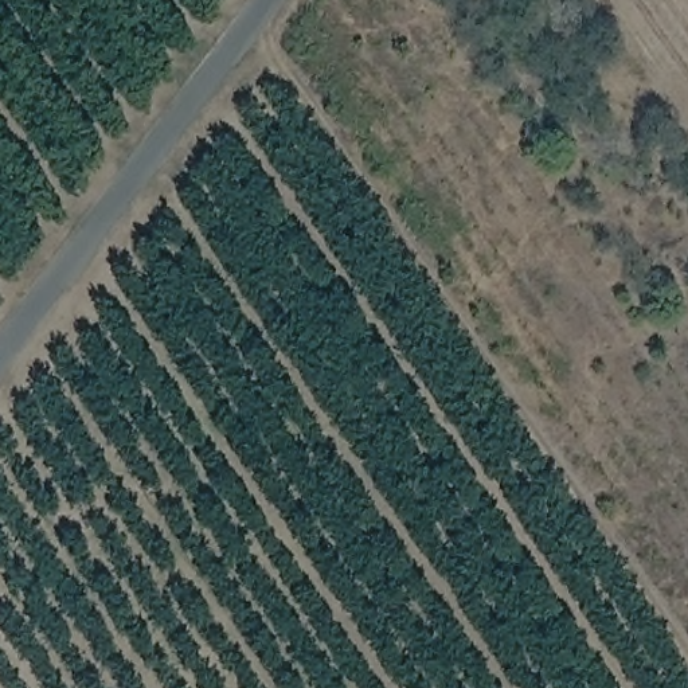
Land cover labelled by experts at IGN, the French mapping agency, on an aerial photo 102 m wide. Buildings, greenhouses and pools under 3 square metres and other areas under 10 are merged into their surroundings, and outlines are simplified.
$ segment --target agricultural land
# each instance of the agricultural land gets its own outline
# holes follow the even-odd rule
[[[546,108],[540,81],[521,70],[516,83],[535,97],[538,108]]]
[[[194,145],[204,140],[210,134],[212,124],[234,126],[242,121],[237,108],[253,99],[250,89],[245,86],[258,78],[261,73],[274,73],[290,81],[298,94],[298,105],[312,108],[314,121],[333,137],[336,148],[352,164],[352,172],[374,194],[379,194],[392,234],[406,242],[406,247],[414,253],[417,266],[427,271],[446,309],[457,314],[460,328],[470,336],[484,363],[495,368],[495,379],[500,382],[505,398],[516,403],[519,419],[524,422],[529,438],[538,443],[540,454],[551,457],[554,465],[562,468],[570,497],[575,497],[572,511],[581,516],[591,513],[597,529],[605,535],[605,543],[618,548],[618,554],[626,562],[626,570],[637,575],[637,589],[645,594],[656,615],[667,621],[667,632],[672,634],[672,642],[688,667],[688,199],[683,191],[664,183],[661,145],[650,148],[650,156],[642,156],[634,151],[632,140],[640,137],[640,126],[648,110],[653,108],[664,113],[664,118],[677,116],[680,126],[688,129],[688,0],[551,0],[551,24],[543,24],[540,30],[546,40],[564,43],[564,35],[572,32],[589,35],[591,27],[599,27],[615,16],[624,48],[615,51],[615,59],[605,70],[597,73],[602,89],[607,91],[610,110],[605,116],[594,116],[589,124],[572,121],[567,129],[575,142],[575,164],[570,169],[546,172],[532,161],[532,156],[527,156],[527,148],[532,148],[546,132],[556,129],[556,116],[543,110],[540,121],[521,124],[516,116],[503,113],[503,89],[470,75],[470,48],[452,35],[452,13],[433,0],[400,0],[400,11],[387,11],[371,24],[355,19],[347,11],[341,16],[341,24],[349,27],[349,32],[360,35],[360,86],[374,91],[387,110],[384,124],[371,126],[374,137],[379,137],[382,145],[403,140],[409,153],[422,164],[425,177],[446,202],[446,207],[460,210],[468,226],[465,231],[452,237],[457,258],[446,261],[441,255],[433,255],[433,250],[409,228],[409,223],[395,210],[398,188],[368,169],[357,142],[344,142],[347,126],[339,124],[323,108],[323,99],[309,75],[298,65],[293,65],[293,59],[282,51],[282,32],[290,16],[298,11],[298,5],[306,0],[285,0],[280,13],[269,16],[269,22],[258,32],[255,51],[250,51],[239,62],[239,67],[231,70],[231,75],[223,81],[223,86],[202,110],[202,116],[161,159],[156,177],[151,177],[148,188],[134,199],[129,212],[113,226],[113,231],[99,242],[99,247],[108,253],[126,250],[134,245],[134,242],[134,226],[148,220],[148,215],[159,207],[159,199],[167,199],[167,204],[180,196],[180,194],[175,177],[185,169]],[[575,207],[559,188],[559,180],[570,177],[589,177],[602,207]],[[664,263],[672,271],[672,280],[683,298],[680,317],[667,323],[629,320],[626,309],[637,306],[640,296],[626,293],[626,288],[618,282],[618,253],[602,247],[602,242],[610,234],[610,226],[626,226],[634,242],[642,245],[642,255],[650,253],[656,263]],[[669,357],[669,366],[664,376],[656,379],[656,384],[648,384],[645,379],[637,382],[634,376],[648,366],[645,360],[650,355],[650,336],[664,339],[664,355]]]

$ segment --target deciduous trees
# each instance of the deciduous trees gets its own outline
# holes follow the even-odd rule
[[[185,8],[191,8],[191,13],[199,22],[218,19],[220,0],[185,0]]]
[[[597,73],[605,70],[615,59],[615,51],[624,48],[615,16],[599,27],[591,27],[589,35],[572,32],[564,35],[564,43],[546,40],[540,30],[543,24],[551,24],[551,0],[433,0],[452,13],[452,35],[470,48],[470,75],[503,89],[503,113],[516,116],[521,124],[540,121],[543,110],[556,116],[556,129],[546,132],[532,148],[527,148],[527,156],[532,156],[532,161],[546,172],[570,169],[575,164],[575,142],[567,129],[572,121],[589,124],[594,116],[605,116],[610,110],[607,91],[602,89]],[[535,97],[516,83],[521,70],[540,81],[546,108],[538,108]]]
[[[371,640],[382,667],[392,675],[392,680],[400,688],[503,688],[495,675],[489,675],[484,656],[460,629],[446,599],[427,583],[422,567],[406,554],[390,521],[379,516],[355,470],[336,454],[333,441],[323,435],[314,414],[304,406],[290,376],[261,339],[258,328],[239,312],[239,304],[223,285],[223,280],[215,274],[215,269],[202,258],[199,245],[185,245],[191,234],[183,228],[183,223],[175,226],[164,220],[159,220],[159,228],[151,239],[134,242],[134,245],[140,250],[140,258],[134,258],[129,266],[113,269],[116,282],[134,301],[148,328],[159,336],[159,341],[164,341],[169,357],[185,374],[194,392],[204,400],[212,425],[226,435],[239,460],[253,470],[263,495],[288,521],[293,538],[298,538],[306,556],[320,570],[323,581],[349,610],[360,634]]]
[[[626,288],[626,293],[640,296],[637,306],[626,309],[629,320],[667,323],[680,317],[683,298],[672,280],[672,271],[664,263],[656,263],[650,253],[642,255],[642,245],[634,242],[626,226],[610,226],[610,234],[602,242],[602,247],[618,253],[618,282]]]
[[[661,145],[664,183],[683,191],[688,199],[688,129],[680,126],[677,116],[664,118],[664,113],[653,108],[648,110],[640,126],[640,137],[632,140],[634,151],[642,156],[650,156],[650,148]]]
[[[0,650],[0,688],[27,688],[19,672],[8,664],[5,653]]]
[[[212,250],[220,255],[223,266],[237,277],[247,301],[258,309],[258,314],[280,341],[282,352],[290,355],[290,360],[298,366],[317,403],[328,411],[333,425],[349,441],[352,452],[363,460],[374,484],[403,519],[417,546],[427,554],[433,567],[449,581],[462,610],[484,634],[511,683],[519,688],[618,688],[605,661],[594,661],[597,650],[589,648],[586,634],[575,626],[570,607],[562,610],[564,599],[559,599],[551,591],[543,570],[535,564],[529,551],[513,538],[513,529],[505,521],[505,516],[497,511],[497,505],[489,508],[481,500],[484,486],[476,481],[470,465],[457,452],[452,435],[446,435],[446,430],[435,425],[411,376],[400,371],[384,341],[371,341],[371,333],[376,333],[376,328],[366,323],[355,301],[357,296],[368,296],[374,312],[387,323],[406,357],[414,363],[425,384],[433,390],[443,414],[462,430],[462,438],[481,460],[486,476],[492,476],[500,484],[524,529],[548,556],[562,583],[572,591],[586,618],[594,624],[599,640],[621,661],[626,677],[637,688],[688,688],[688,667],[672,642],[672,634],[667,632],[667,621],[656,615],[645,594],[637,589],[637,575],[626,570],[626,562],[618,554],[618,548],[605,543],[605,535],[597,529],[591,513],[581,516],[572,511],[575,497],[570,497],[562,468],[554,465],[551,457],[540,454],[538,443],[529,438],[524,422],[519,419],[516,403],[505,398],[500,382],[495,379],[495,368],[484,363],[470,336],[460,328],[457,314],[446,309],[427,271],[417,266],[414,253],[406,247],[406,242],[392,234],[379,194],[374,194],[352,172],[352,164],[336,148],[333,137],[314,121],[312,108],[298,105],[298,94],[293,97],[280,91],[277,86],[263,86],[263,94],[277,108],[277,116],[263,116],[261,105],[253,99],[237,108],[242,121],[253,129],[258,145],[269,153],[269,161],[282,172],[282,180],[296,191],[301,207],[312,215],[314,226],[325,234],[333,253],[349,269],[352,298],[341,293],[344,280],[336,277],[333,266],[323,258],[306,228],[296,234],[298,218],[285,210],[271,177],[261,169],[258,159],[245,148],[245,142],[237,145],[226,137],[210,134],[204,140],[210,142],[212,153],[202,159],[191,185],[180,194],[180,196],[180,202],[191,210],[194,220],[202,226]]]
[[[0,0],[0,99],[13,110],[22,126],[40,145],[62,185],[70,194],[83,191],[89,185],[89,169],[94,169],[102,161],[102,142],[94,132],[94,124],[102,124],[110,137],[126,132],[126,118],[118,102],[113,99],[113,91],[124,91],[132,108],[148,110],[153,86],[161,83],[169,73],[167,48],[185,51],[194,46],[194,35],[172,0]]]
[[[645,379],[648,384],[656,384],[656,379],[664,376],[669,366],[669,357],[664,355],[664,339],[650,336],[650,355],[645,360],[648,366],[634,376],[637,382]]]
[[[575,207],[602,207],[589,177],[570,177],[559,180],[559,188]]]
[[[65,220],[65,210],[54,188],[48,185],[46,175],[40,172],[38,161],[32,159],[27,142],[8,129],[5,118],[0,116],[0,274],[5,280],[16,277],[22,263],[38,250],[38,212],[46,220],[59,223]]]
[[[32,570],[24,570],[22,559],[8,551],[3,527],[13,527],[16,538],[35,562]],[[239,648],[226,637],[223,626],[212,621],[207,602],[191,581],[185,581],[177,572],[169,575],[161,591],[156,591],[151,572],[142,567],[142,562],[137,562],[129,554],[124,538],[116,532],[116,524],[102,516],[91,521],[91,527],[102,548],[116,562],[116,567],[110,570],[105,570],[97,559],[89,556],[86,540],[75,521],[56,521],[59,540],[81,567],[81,572],[89,578],[86,583],[78,583],[38,529],[40,521],[27,519],[27,513],[22,511],[19,500],[8,492],[8,484],[0,473],[0,567],[3,567],[3,578],[5,578],[5,586],[8,586],[11,591],[24,591],[24,610],[19,610],[19,613],[13,610],[13,605],[11,605],[8,599],[3,599],[3,597],[0,597],[0,629],[30,661],[43,688],[65,688],[46,650],[32,637],[38,629],[46,632],[62,661],[70,667],[73,680],[83,688],[105,688],[97,669],[86,664],[78,648],[70,642],[67,626],[62,621],[65,615],[75,618],[78,629],[91,642],[91,650],[110,667],[118,683],[116,688],[145,688],[134,667],[116,650],[99,613],[86,599],[86,591],[91,589],[102,597],[116,626],[129,637],[132,648],[156,672],[164,688],[188,688],[185,680],[177,677],[177,672],[167,664],[164,650],[151,640],[142,618],[132,613],[124,591],[118,589],[121,578],[129,578],[140,602],[151,610],[153,621],[175,645],[177,658],[196,675],[199,688],[226,688],[220,675],[199,656],[199,648],[188,637],[188,632],[175,621],[169,607],[172,597],[177,597],[180,607],[194,621],[194,626],[207,637],[220,661],[237,675],[239,688],[263,688],[253,675],[250,664],[245,661],[245,656],[239,653]]]
[[[73,390],[94,414],[99,430],[110,438],[110,443],[118,449],[121,460],[142,486],[159,484],[153,465],[137,449],[137,443],[148,438],[148,443],[159,452],[172,478],[188,489],[199,521],[207,524],[220,543],[220,554],[215,556],[207,548],[204,538],[191,532],[180,497],[156,492],[156,508],[169,521],[183,551],[191,554],[191,562],[199,570],[199,575],[210,581],[218,602],[231,613],[234,624],[247,637],[250,648],[258,653],[261,664],[269,669],[277,688],[301,688],[301,680],[290,675],[293,667],[280,658],[277,642],[261,624],[258,613],[250,610],[247,599],[239,594],[239,586],[250,586],[258,602],[269,610],[274,624],[288,637],[290,653],[298,656],[298,661],[306,667],[314,688],[384,688],[382,680],[368,669],[363,653],[349,642],[341,624],[333,621],[331,607],[314,591],[312,581],[298,570],[293,554],[285,548],[282,540],[277,540],[258,503],[250,497],[245,481],[231,470],[226,457],[215,449],[215,443],[202,433],[199,419],[180,395],[180,387],[156,363],[156,355],[151,352],[148,341],[134,331],[126,309],[116,301],[116,296],[105,293],[105,298],[94,301],[94,323],[99,325],[99,331],[78,333],[81,349],[86,355],[83,363],[73,357],[67,344],[59,347],[56,352],[51,352],[56,368],[46,371],[38,382],[30,379],[24,387],[27,400],[13,403],[13,417],[19,419],[27,435],[27,443],[51,468],[51,476],[38,478],[32,460],[16,452],[11,427],[0,422],[0,454],[11,462],[19,484],[24,486],[35,508],[46,513],[56,511],[54,484],[59,481],[65,486],[67,503],[91,500],[91,489],[105,486],[105,500],[110,503],[110,508],[116,508],[124,516],[126,527],[134,532],[140,546],[164,570],[175,562],[167,540],[153,524],[142,519],[137,497],[108,468],[102,449],[91,441],[78,411],[62,395],[62,384],[73,384]],[[202,481],[196,478],[185,457],[185,446],[191,443],[210,476],[207,492],[196,489]],[[250,554],[250,546],[245,540],[247,532],[258,535],[258,543],[263,546],[263,551],[269,554],[269,559],[274,562],[296,599],[304,605],[320,637],[333,648],[339,661],[336,669],[331,669],[325,653],[312,645],[309,634],[298,624],[298,615],[288,607],[285,597],[277,591],[271,578]]]

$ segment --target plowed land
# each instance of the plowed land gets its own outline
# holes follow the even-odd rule
[[[280,91],[293,97],[298,94],[290,81],[274,73],[261,73],[258,78],[258,83],[263,86],[277,86]]]
[[[126,250],[108,253],[108,263],[113,269],[129,266],[134,258],[140,258],[140,250],[134,245]]]
[[[212,153],[210,142],[204,140],[194,145],[185,169],[175,177],[180,194],[191,185],[202,159]]]
[[[164,215],[169,212],[167,204],[167,199],[159,199],[159,207],[148,215],[148,220],[134,226],[134,242],[151,239],[159,228],[159,220],[164,220]]]

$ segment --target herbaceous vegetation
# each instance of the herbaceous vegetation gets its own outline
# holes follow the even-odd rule
[[[293,667],[290,675],[301,680],[301,688],[314,688],[306,667],[298,661],[298,656],[290,653],[288,637],[274,624],[269,610],[258,602],[250,586],[239,586],[239,594],[247,599],[250,610],[258,613],[261,624],[277,642],[280,658]]]
[[[13,605],[13,610],[19,613],[19,610],[24,610],[24,591],[11,591],[8,586],[5,586],[5,578],[3,578],[3,567],[0,567],[0,597],[3,597],[3,599],[8,599],[11,605]]]
[[[177,677],[185,680],[188,688],[199,688],[196,675],[177,658],[175,645],[153,621],[151,610],[140,602],[129,578],[121,578],[118,589],[124,591],[132,613],[142,618],[151,640],[164,650],[167,664],[177,672]]]
[[[91,642],[78,629],[75,618],[65,615],[62,621],[67,626],[70,642],[78,648],[86,664],[97,669],[105,688],[116,688],[118,683],[110,667],[91,650]]]
[[[65,210],[65,220],[59,223],[46,220],[38,212],[38,250],[22,263],[16,277],[5,280],[0,274],[0,323],[13,306],[30,298],[30,290],[51,271],[54,261],[67,247],[70,228],[89,215],[89,210],[102,199],[102,194],[113,185],[118,175],[129,169],[129,164],[142,151],[145,140],[151,137],[159,113],[175,105],[180,91],[191,86],[196,73],[220,48],[228,30],[253,5],[253,0],[220,0],[218,19],[199,22],[191,13],[191,8],[185,8],[185,0],[172,0],[194,35],[194,46],[185,51],[167,48],[169,73],[161,83],[153,86],[148,110],[132,108],[124,91],[113,91],[113,99],[118,102],[126,118],[126,132],[110,137],[102,124],[94,124],[94,132],[102,142],[102,161],[94,169],[89,169],[89,185],[83,191],[70,194],[62,185],[40,145],[22,126],[13,110],[0,99],[0,116],[5,118],[8,129],[27,142],[32,159],[38,161],[40,172],[46,175],[48,185],[54,188]]]
[[[314,226],[312,215],[301,207],[296,191],[282,180],[282,172],[269,161],[269,153],[258,145],[253,129],[242,121],[234,126],[212,124],[210,134],[226,137],[237,145],[245,142],[245,148],[258,159],[261,169],[271,177],[285,210],[298,218],[296,234],[306,228],[323,258],[333,266],[336,277],[344,280],[341,293],[352,298],[349,269],[333,253],[325,234]]]
[[[309,634],[312,645],[325,653],[331,669],[336,669],[339,661],[333,648],[320,637],[304,605],[296,599],[274,562],[269,559],[269,554],[263,551],[263,546],[258,543],[258,535],[247,532],[245,540],[250,546],[250,554],[271,578],[277,591],[285,597],[288,607],[298,615],[298,624]]]
[[[503,688],[519,688],[511,683],[484,634],[462,610],[449,581],[433,567],[427,554],[417,546],[403,519],[374,484],[363,460],[352,452],[349,441],[333,425],[328,411],[317,403],[298,366],[290,360],[290,355],[282,352],[280,341],[258,314],[258,309],[247,301],[237,277],[223,266],[220,255],[212,250],[202,226],[194,220],[191,210],[180,202],[180,196],[167,204],[169,212],[164,215],[164,220],[175,226],[183,223],[183,228],[191,234],[185,245],[199,245],[202,258],[215,269],[215,274],[223,280],[223,285],[239,304],[239,312],[258,328],[261,339],[290,376],[304,406],[314,414],[323,435],[333,441],[336,454],[355,470],[379,516],[390,521],[406,554],[422,567],[427,583],[446,599],[460,629],[484,656],[489,675],[495,675]]]
[[[177,597],[172,597],[169,607],[175,621],[188,632],[188,637],[199,648],[199,656],[220,675],[226,688],[239,688],[237,675],[220,661],[207,637],[194,626],[194,621],[180,607]]]
[[[185,457],[196,478],[202,481],[196,489],[207,492],[210,476],[191,443],[185,446]]]
[[[99,613],[116,650],[134,667],[145,688],[164,688],[156,672],[132,648],[129,637],[116,626],[102,597],[91,589],[86,591],[86,599]]]
[[[46,632],[38,629],[32,637],[46,650],[65,688],[83,688],[73,680],[70,667],[62,661]]]
[[[524,529],[500,484],[492,476],[486,476],[481,460],[462,438],[462,430],[443,414],[433,390],[425,384],[414,363],[406,357],[387,323],[374,312],[368,296],[357,296],[355,301],[366,323],[376,328],[376,333],[371,333],[371,341],[384,341],[400,371],[411,376],[435,425],[446,430],[446,435],[452,435],[457,452],[470,465],[476,481],[484,486],[481,500],[489,508],[497,505],[497,511],[505,516],[505,521],[513,529],[513,538],[529,551],[535,564],[543,570],[551,591],[559,599],[564,599],[562,610],[570,607],[575,626],[586,634],[589,648],[597,650],[594,661],[605,661],[618,688],[637,688],[626,677],[621,661],[599,640],[594,624],[586,618],[572,591],[562,583],[548,556]]]
[[[35,562],[16,538],[13,527],[3,527],[8,551],[22,559],[24,570],[32,570]]]
[[[43,688],[30,661],[0,629],[0,650],[5,653],[8,664],[19,672],[27,688]]]
[[[13,417],[13,403],[27,400],[24,387],[30,379],[38,382],[46,371],[56,368],[51,352],[56,352],[59,347],[67,344],[73,357],[83,363],[86,355],[81,349],[78,333],[99,331],[99,325],[94,323],[94,301],[105,298],[105,293],[116,296],[116,301],[126,309],[134,331],[148,341],[151,352],[156,355],[156,363],[180,387],[180,395],[199,419],[202,433],[215,443],[215,449],[226,457],[231,470],[245,481],[250,497],[258,503],[277,540],[282,540],[285,548],[293,554],[298,570],[312,581],[314,591],[331,607],[333,621],[341,624],[349,642],[363,653],[368,669],[382,680],[384,688],[400,688],[392,680],[392,675],[382,667],[371,640],[360,634],[349,610],[323,581],[320,570],[306,556],[298,538],[293,538],[288,521],[263,495],[253,470],[239,460],[226,435],[212,425],[204,400],[194,392],[185,374],[169,357],[164,341],[159,341],[159,336],[148,328],[134,301],[116,282],[113,269],[108,263],[108,253],[99,247],[91,263],[75,277],[70,290],[54,304],[54,309],[40,320],[27,344],[13,355],[8,368],[0,371],[0,422],[11,427],[16,452],[32,460],[38,478],[51,476],[51,468],[27,443],[27,435],[19,419]]]
[[[245,86],[250,89],[253,99],[261,105],[263,116],[277,116],[277,108],[263,94],[263,86],[258,83],[258,78]]]
[[[191,581],[207,602],[212,621],[223,626],[226,637],[239,648],[239,653],[245,656],[245,661],[250,664],[253,675],[263,688],[277,688],[269,669],[261,664],[258,653],[250,648],[247,637],[234,624],[231,613],[218,602],[210,581],[199,575],[199,570],[191,562],[191,554],[183,551],[169,521],[156,508],[156,492],[180,497],[191,532],[204,538],[207,548],[215,556],[220,554],[220,543],[207,524],[199,521],[188,489],[172,478],[159,452],[148,443],[148,438],[137,443],[137,449],[153,465],[159,484],[142,486],[121,460],[118,449],[110,443],[110,438],[99,430],[94,414],[73,390],[73,384],[62,384],[62,395],[78,411],[91,441],[102,449],[108,468],[137,497],[142,519],[153,524],[167,540],[175,562],[164,570],[140,546],[134,532],[126,527],[124,516],[116,508],[110,508],[110,503],[105,500],[105,486],[91,489],[91,500],[67,503],[65,486],[59,481],[54,484],[56,511],[46,513],[35,508],[24,486],[19,484],[11,462],[0,454],[0,473],[8,484],[8,492],[19,500],[22,511],[27,513],[27,519],[40,521],[38,529],[78,583],[86,583],[89,578],[81,572],[81,567],[59,540],[56,521],[75,521],[86,540],[89,556],[97,559],[105,570],[110,570],[116,567],[116,562],[102,548],[91,527],[91,521],[102,516],[116,524],[116,532],[124,538],[129,554],[137,562],[142,562],[142,567],[151,572],[156,591],[161,591],[169,575],[177,572],[185,581]]]

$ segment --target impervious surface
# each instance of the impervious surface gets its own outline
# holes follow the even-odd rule
[[[67,247],[54,261],[51,271],[30,290],[30,298],[13,306],[0,323],[0,371],[8,368],[13,355],[27,344],[40,320],[54,309],[54,304],[70,290],[75,277],[91,263],[99,247],[99,242],[113,231],[113,226],[129,212],[134,199],[148,188],[151,177],[156,177],[161,159],[202,116],[202,110],[223,86],[223,81],[231,75],[231,70],[239,67],[239,62],[250,51],[255,51],[258,32],[269,22],[269,16],[280,13],[285,0],[253,0],[253,5],[228,30],[220,48],[196,73],[191,86],[180,91],[175,105],[159,113],[151,137],[145,140],[142,151],[129,164],[129,169],[118,175],[113,185],[102,194],[102,199],[89,210],[89,215],[70,228]]]

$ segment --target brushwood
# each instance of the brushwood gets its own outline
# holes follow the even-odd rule
[[[395,210],[409,223],[409,228],[433,250],[433,255],[441,255],[446,261],[457,258],[452,237],[465,231],[468,226],[460,210],[446,207],[446,202],[425,177],[422,164],[409,153],[403,140],[382,145],[379,137],[374,137],[371,126],[384,124],[387,110],[374,91],[360,86],[360,35],[349,32],[349,27],[341,24],[341,16],[347,11],[355,19],[371,24],[387,11],[400,11],[400,0],[306,0],[298,5],[298,11],[290,16],[282,32],[282,51],[293,59],[293,65],[298,65],[309,75],[323,99],[323,108],[339,124],[347,126],[344,142],[357,142],[368,169],[398,188]]]

